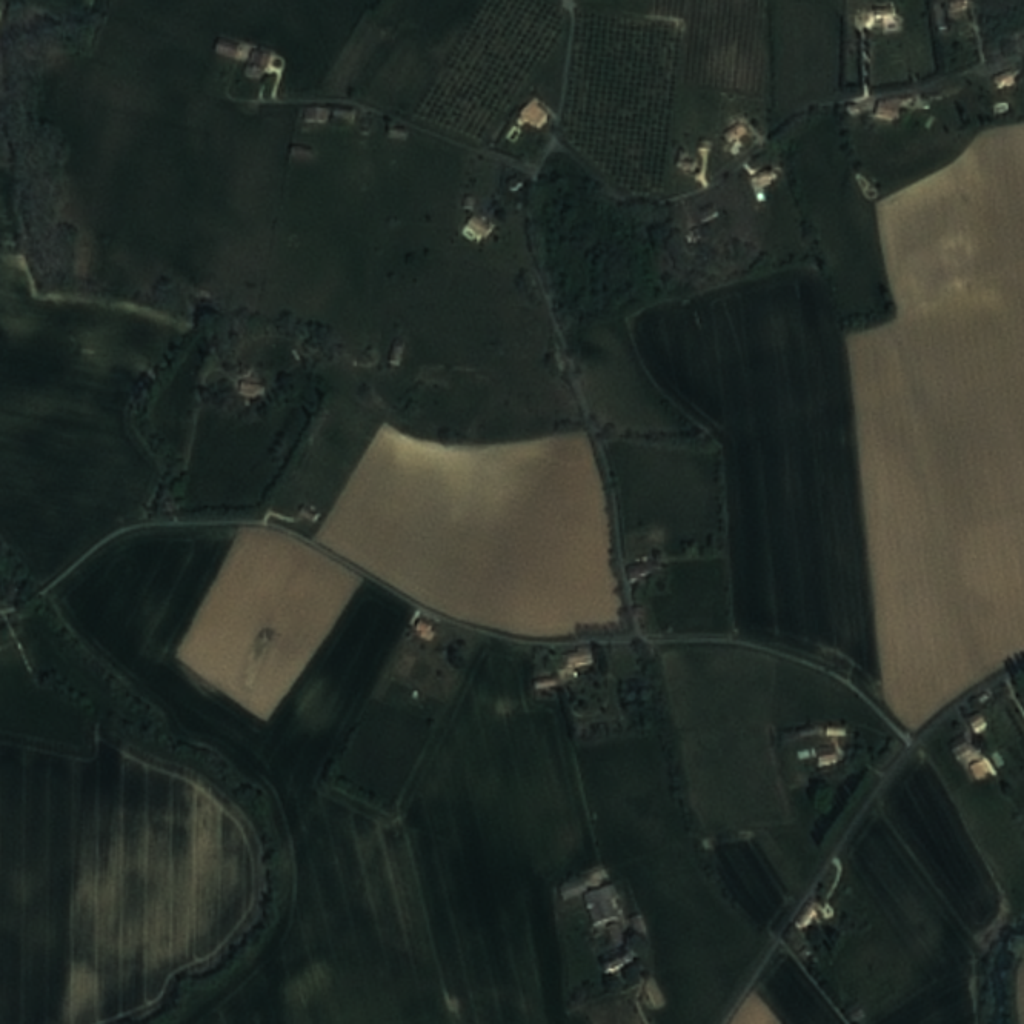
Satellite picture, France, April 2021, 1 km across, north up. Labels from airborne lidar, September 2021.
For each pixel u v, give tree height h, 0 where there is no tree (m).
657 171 5
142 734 9
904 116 12
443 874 0
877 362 0
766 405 0
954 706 0
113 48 0
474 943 0
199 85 0
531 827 0
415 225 0
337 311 0
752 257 12
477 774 0
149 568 0
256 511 7
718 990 0
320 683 0
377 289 0
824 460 0
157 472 0
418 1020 0
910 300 0
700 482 0
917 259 0
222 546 0
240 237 0
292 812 0
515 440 0
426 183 0
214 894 0
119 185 0
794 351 0
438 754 0
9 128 18
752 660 0
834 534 0
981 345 0
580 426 5
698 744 0
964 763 0
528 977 0
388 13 0
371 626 0
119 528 0
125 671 0
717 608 0
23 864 0
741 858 0
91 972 0
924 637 0
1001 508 0
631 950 11
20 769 0
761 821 0
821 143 0
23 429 0
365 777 0
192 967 0
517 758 0
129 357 0
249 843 0
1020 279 0
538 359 0
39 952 0
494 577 0
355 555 0
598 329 0
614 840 0
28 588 19
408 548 0
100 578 0
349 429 0
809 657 0
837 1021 0
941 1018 0
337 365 0
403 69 0
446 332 0
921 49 0
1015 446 0
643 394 0
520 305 0
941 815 0
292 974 0
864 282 0
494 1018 0
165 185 0
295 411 0
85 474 0
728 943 0
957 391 0
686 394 0
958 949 0
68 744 0
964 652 0
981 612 0
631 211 14
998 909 0
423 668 0
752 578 0
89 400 0
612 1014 0
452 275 0
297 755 0
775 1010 0
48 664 0
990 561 0
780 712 0
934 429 0
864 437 0
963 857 0
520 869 0
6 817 0
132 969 0
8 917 0
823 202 0
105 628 0
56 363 0
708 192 0
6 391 0
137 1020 0
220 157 0
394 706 0
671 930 0
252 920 0
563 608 0
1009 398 0
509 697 0
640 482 0
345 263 0
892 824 0
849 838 0
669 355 0
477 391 0
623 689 9
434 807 0
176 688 0
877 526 0
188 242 0
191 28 0
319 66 0
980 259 0
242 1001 0
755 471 0
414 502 0
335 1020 0
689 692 0
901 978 0
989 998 9
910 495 0
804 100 0
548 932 0
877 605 0
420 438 0
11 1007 0
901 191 0
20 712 0
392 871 0
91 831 0
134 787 0
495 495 0
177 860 0
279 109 0
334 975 0
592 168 0
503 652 0
